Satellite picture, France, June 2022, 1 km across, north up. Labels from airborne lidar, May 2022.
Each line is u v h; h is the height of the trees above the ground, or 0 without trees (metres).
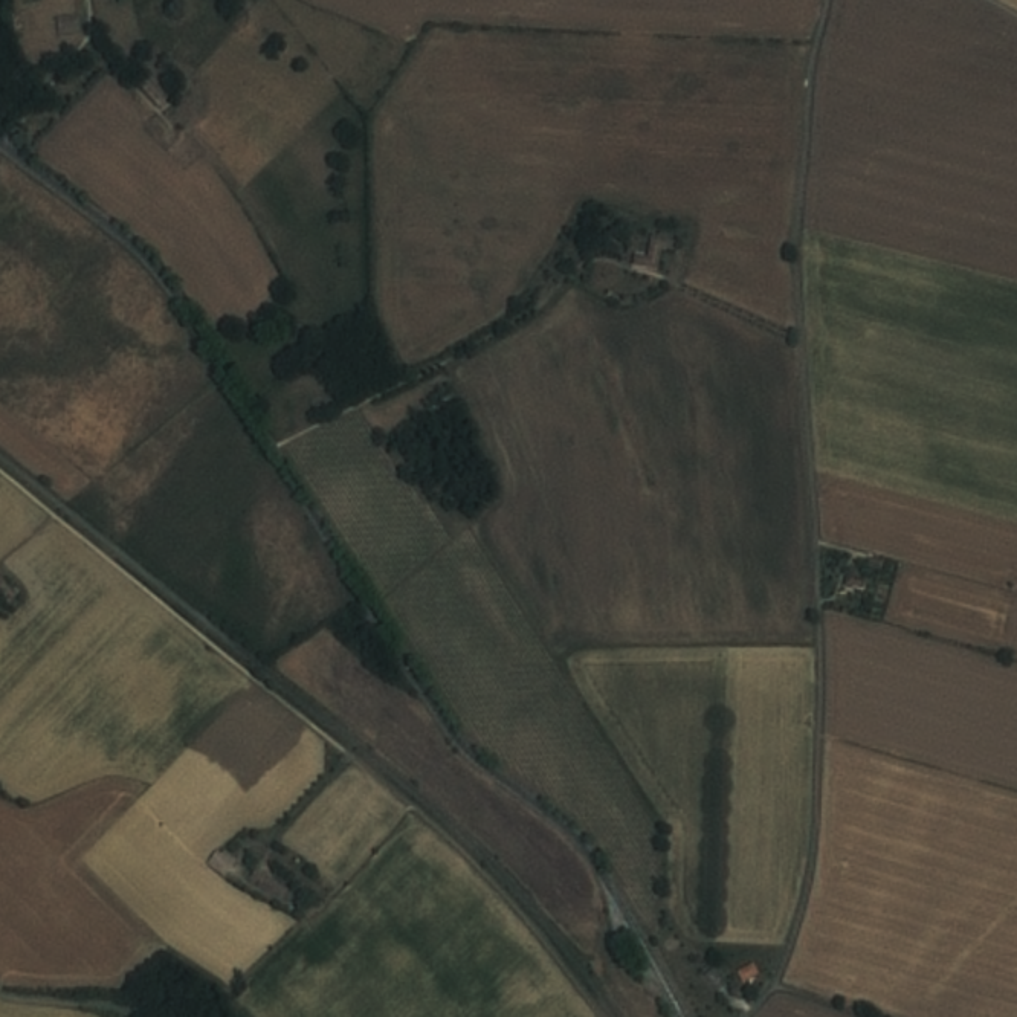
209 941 0
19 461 0
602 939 0
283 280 14
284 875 10
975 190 0
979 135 0
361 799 0
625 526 0
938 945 0
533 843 0
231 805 0
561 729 0
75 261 0
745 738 0
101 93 0
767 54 0
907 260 0
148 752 0
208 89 0
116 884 0
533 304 8
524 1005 0
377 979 0
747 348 0
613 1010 0
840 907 0
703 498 0
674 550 0
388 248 0
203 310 15
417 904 0
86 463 0
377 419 0
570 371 0
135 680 0
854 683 0
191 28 0
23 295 0
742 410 0
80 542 0
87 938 0
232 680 0
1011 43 0
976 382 0
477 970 0
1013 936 0
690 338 0
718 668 0
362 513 0
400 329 0
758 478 0
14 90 10
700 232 0
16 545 0
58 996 10
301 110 0
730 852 0
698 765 0
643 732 0
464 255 0
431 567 0
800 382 0
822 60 0
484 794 0
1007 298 0
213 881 0
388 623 17
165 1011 20
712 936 0
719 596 0
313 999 0
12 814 0
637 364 0
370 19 0
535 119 0
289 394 0
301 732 0
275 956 0
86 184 0
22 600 9
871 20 0
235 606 0
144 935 0
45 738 0
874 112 0
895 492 0
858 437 0
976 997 0
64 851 0
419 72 0
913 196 0
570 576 0
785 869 0
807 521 0
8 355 0
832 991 0
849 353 0
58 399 0
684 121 0
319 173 0
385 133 0
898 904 0
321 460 0
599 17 0
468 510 19
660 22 0
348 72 0
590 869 0
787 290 0
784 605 0
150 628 0
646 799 0
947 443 0
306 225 0
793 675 0
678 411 0
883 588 0
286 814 6
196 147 0
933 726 0
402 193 0
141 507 0
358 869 0
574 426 0
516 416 0
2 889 0
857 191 0
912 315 0
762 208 0
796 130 0
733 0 0
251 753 0
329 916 0
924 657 0
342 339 17
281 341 20
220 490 0
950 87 0
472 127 0
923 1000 0
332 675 0
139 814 0
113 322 0
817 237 0
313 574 0
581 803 0
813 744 0
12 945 0
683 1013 0
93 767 0
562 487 0
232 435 0
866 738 0
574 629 0
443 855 0
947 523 0
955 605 0
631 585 0
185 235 0
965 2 0
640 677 0
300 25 0
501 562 0
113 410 0
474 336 6
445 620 0
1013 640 0
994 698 0
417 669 18
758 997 10
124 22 0
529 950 0
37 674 0
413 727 0
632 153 0
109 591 0
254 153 0
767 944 0
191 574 0
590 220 21
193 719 0
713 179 0
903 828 0
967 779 0
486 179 0
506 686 0
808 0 0
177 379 0
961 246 0
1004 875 0
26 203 0
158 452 0
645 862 0
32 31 0
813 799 0
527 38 0
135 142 0
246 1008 0
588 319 0
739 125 0
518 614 0
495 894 0
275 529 0
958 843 0
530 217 0
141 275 0
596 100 0
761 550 0
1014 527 0
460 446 22
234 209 0
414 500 0
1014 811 0
